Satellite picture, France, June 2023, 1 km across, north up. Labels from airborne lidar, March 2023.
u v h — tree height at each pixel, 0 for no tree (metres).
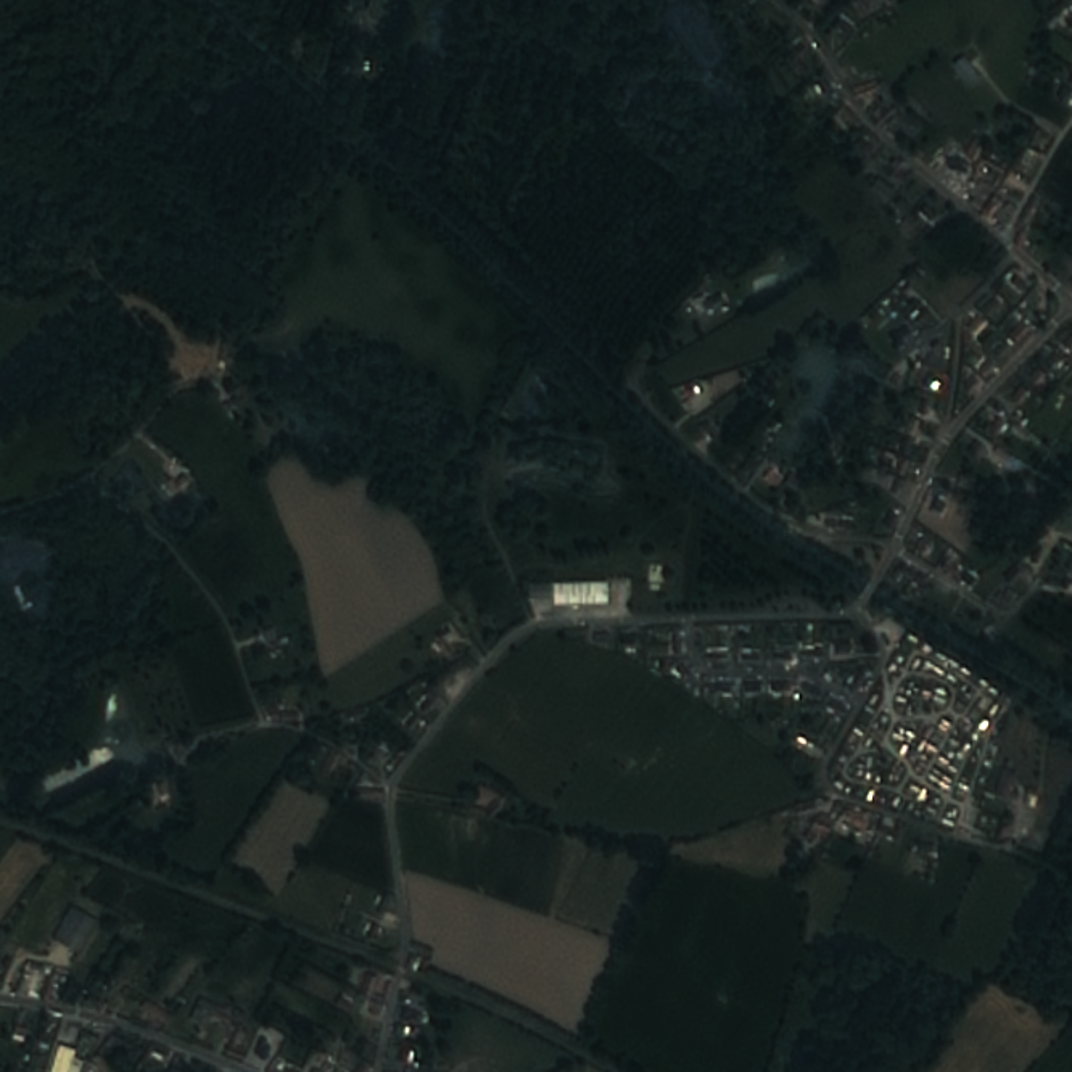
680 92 29
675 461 12
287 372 29
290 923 0
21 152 9
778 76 0
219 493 0
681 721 0
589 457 8
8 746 8
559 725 0
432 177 22
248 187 34
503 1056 0
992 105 0
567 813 0
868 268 0
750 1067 0
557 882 0
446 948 0
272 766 0
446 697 0
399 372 12
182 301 11
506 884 0
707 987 0
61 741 31
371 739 13
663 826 0
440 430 9
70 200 12
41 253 22
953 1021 21
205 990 0
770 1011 0
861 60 0
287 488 0
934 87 0
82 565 9
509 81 26
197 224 12
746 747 0
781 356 11
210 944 0
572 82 21
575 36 37
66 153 8
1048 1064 0
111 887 0
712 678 0
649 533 0
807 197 0
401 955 0
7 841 0
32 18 6
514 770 0
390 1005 0
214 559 0
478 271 12
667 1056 0
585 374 34
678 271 22
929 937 0
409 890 0
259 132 34
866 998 36
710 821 0
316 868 0
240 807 0
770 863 0
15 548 0
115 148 14
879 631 0
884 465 8
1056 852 10
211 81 8
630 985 0
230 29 16
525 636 0
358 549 0
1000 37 0
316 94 14
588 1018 10
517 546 0
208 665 0
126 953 7
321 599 0
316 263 0
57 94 7
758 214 25
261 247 18
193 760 10
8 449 0
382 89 15
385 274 0
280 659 0
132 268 17
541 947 0
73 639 12
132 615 20
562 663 0
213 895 0
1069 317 0
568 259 26
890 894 0
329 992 0
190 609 0
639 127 20
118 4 18
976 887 0
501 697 0
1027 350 0
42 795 19
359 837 0
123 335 18
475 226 31
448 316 0
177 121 30
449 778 0
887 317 0
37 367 32
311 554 0
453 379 0
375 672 0
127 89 13
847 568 14
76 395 25
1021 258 0
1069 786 0
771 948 0
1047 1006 23
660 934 0
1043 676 29
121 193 20
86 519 10
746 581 7
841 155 8
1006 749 0
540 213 26
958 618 0
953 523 0
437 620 0
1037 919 27
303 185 23
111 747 0
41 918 0
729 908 0
